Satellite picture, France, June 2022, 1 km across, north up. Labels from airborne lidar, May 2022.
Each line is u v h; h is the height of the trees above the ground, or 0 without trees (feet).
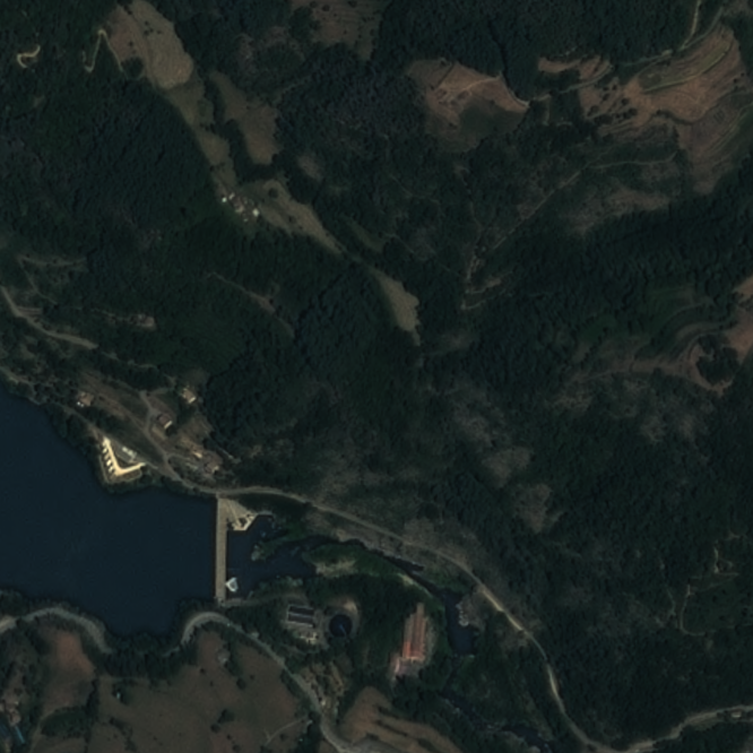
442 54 44
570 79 40
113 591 0
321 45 37
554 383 36
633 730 52
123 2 61
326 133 29
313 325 124
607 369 0
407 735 22
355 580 64
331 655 39
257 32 75
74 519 0
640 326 39
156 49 0
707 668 55
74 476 0
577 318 48
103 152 123
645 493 47
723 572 22
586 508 37
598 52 35
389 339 51
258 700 0
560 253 57
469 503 115
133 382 30
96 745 0
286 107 31
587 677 19
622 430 25
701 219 50
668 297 0
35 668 36
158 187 132
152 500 0
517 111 0
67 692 0
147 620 0
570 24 44
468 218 33
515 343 66
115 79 32
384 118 55
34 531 0
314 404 36
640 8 65
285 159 56
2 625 0
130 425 0
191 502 0
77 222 36
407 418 45
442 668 49
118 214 65
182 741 0
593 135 43
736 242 45
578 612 20
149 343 53
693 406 34
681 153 29
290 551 0
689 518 47
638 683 46
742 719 32
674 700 48
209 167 80
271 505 23
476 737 55
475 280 37
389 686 22
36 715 24
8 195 32
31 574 0
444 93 0
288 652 24
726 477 19
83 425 43
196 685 0
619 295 45
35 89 24
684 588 22
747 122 0
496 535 105
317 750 29
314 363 113
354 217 21
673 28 59
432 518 41
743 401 59
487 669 26
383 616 36
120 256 80
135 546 0
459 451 45
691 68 0
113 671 45
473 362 33
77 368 28
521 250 43
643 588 46
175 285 51
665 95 0
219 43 34
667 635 48
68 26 37
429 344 32
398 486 30
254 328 30
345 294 117
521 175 33
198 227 30
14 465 0
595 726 26
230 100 0
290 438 28
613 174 30
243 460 33
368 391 58
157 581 0
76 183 69
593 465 46
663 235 65
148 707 0
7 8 21
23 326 46
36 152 29
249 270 27
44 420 0
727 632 45
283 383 32
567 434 47
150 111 78
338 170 30
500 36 117
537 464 63
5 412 0
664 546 22
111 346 31
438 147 45
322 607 31
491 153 38
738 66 0
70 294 22
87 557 0
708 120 0
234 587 0
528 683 27
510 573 35
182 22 62
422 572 0
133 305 37
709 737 70
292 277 85
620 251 46
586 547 38
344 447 22
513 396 33
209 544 0
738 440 48
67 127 64
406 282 33
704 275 56
